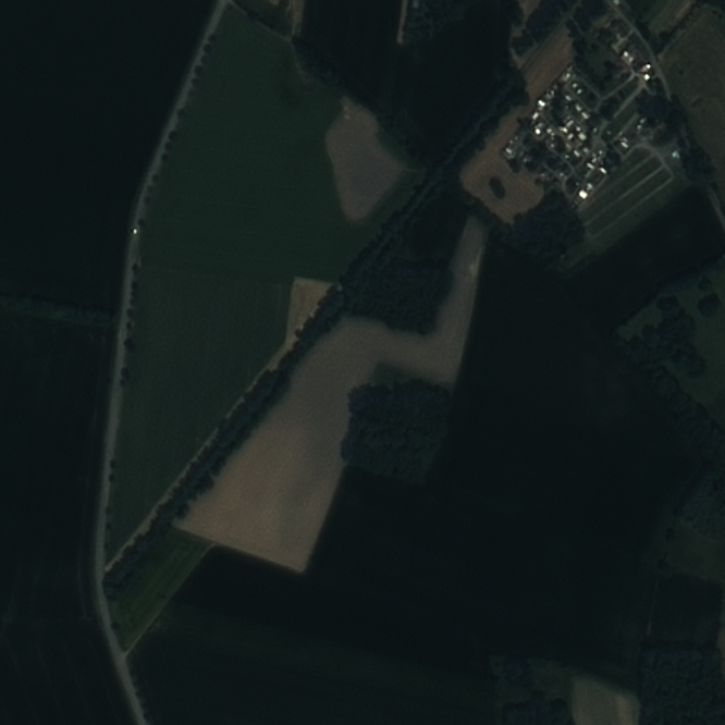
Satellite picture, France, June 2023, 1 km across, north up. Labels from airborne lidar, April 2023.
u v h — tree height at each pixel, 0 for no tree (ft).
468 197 44
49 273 0
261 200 0
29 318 0
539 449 0
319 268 0
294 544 0
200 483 60
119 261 0
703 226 0
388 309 55
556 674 0
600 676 0
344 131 0
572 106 44
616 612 0
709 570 0
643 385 0
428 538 0
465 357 0
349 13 0
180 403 0
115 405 0
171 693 0
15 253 0
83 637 0
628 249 0
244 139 0
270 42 0
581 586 0
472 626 0
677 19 0
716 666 56
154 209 0
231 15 0
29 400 0
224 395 0
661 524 0
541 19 88
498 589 0
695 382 0
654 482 0
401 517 0
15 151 0
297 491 0
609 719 0
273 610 0
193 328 0
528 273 0
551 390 0
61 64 0
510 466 0
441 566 0
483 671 0
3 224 0
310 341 29
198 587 0
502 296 0
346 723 0
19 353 0
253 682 0
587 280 0
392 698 0
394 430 80
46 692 0
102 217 0
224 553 0
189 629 0
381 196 0
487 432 0
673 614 0
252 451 0
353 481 0
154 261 0
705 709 69
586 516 0
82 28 0
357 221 0
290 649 0
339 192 0
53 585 0
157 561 0
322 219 0
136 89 0
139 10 0
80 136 0
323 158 0
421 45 0
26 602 0
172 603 0
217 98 0
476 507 0
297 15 0
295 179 0
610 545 0
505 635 0
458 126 0
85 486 0
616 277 0
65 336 0
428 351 0
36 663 0
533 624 0
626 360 0
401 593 0
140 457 0
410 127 0
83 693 0
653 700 88
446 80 0
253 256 0
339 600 0
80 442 0
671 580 0
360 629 0
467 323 0
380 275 83
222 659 0
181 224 0
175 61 0
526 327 0
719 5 28
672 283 61
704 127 0
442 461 0
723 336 0
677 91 0
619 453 0
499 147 0
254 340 0
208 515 0
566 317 0
